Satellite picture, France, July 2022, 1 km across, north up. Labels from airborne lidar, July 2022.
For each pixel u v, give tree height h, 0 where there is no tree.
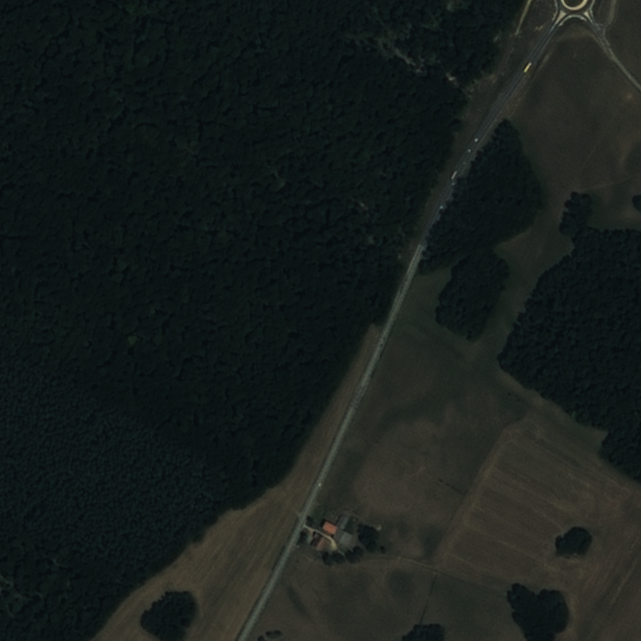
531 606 23
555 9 0
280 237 31
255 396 28
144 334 31
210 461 26
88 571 20
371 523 0
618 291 25
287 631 0
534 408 0
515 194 21
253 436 30
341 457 0
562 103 0
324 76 29
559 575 0
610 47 0
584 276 17
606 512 0
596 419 21
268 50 23
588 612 0
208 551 0
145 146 31
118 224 32
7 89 28
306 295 27
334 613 0
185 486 27
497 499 0
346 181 22
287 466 25
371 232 27
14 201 28
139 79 29
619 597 0
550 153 0
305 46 20
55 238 31
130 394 31
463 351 0
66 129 29
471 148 0
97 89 33
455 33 26
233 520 0
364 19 28
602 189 0
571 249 0
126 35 32
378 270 18
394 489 0
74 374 24
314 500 0
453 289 22
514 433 0
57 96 29
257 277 26
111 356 28
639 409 15
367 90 30
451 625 0
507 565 0
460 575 0
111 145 32
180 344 32
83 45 30
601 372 25
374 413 0
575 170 0
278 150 29
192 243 30
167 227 31
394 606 0
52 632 17
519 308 0
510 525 0
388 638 0
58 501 24
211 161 27
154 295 29
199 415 25
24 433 30
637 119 0
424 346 0
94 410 25
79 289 29
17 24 27
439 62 9
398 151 24
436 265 16
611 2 0
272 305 24
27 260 27
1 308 23
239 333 27
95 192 27
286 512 0
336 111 30
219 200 32
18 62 26
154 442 32
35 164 31
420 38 26
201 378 24
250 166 30
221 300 27
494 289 25
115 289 33
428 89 28
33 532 25
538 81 0
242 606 0
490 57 20
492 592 0
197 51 15
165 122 33
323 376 23
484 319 15
